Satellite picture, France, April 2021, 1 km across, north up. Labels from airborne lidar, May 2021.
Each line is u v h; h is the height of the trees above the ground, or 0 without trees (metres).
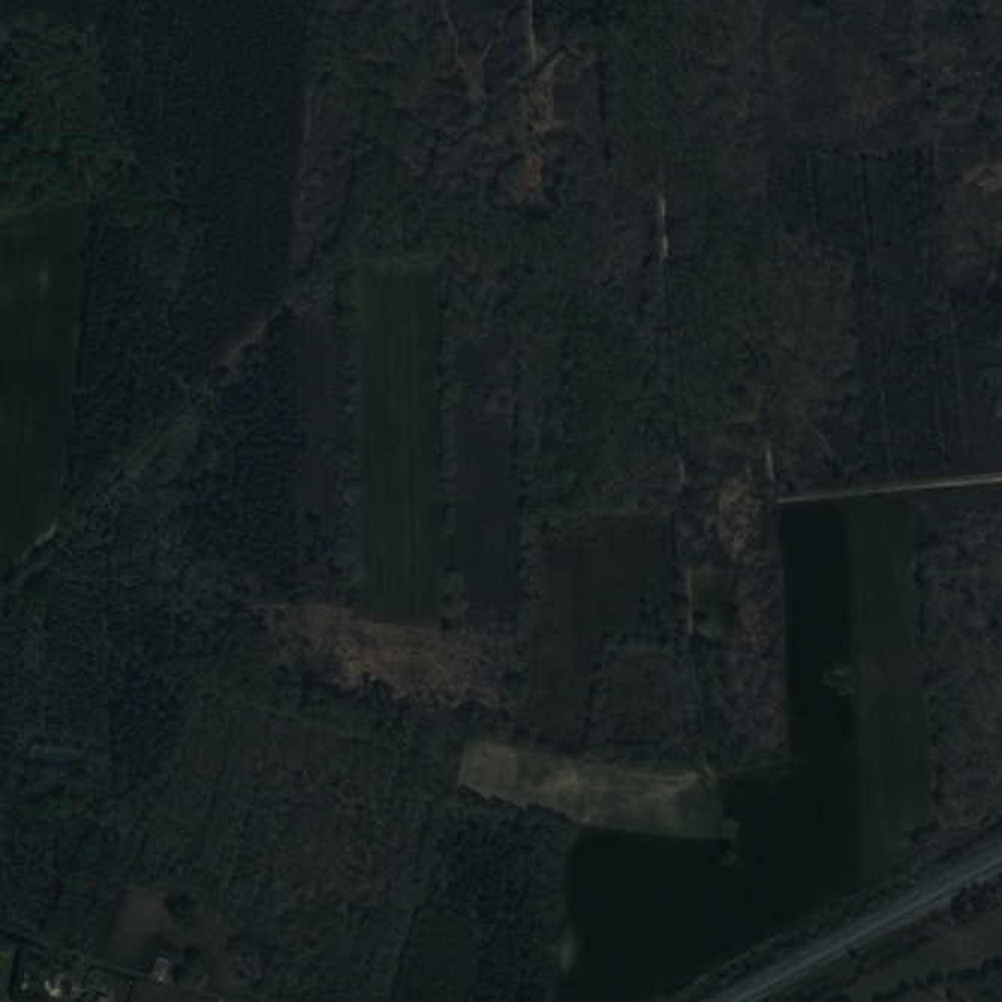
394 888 15
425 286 0
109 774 15
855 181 12
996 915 0
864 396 13
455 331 15
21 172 29
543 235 26
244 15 21
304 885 10
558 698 0
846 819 0
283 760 12
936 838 14
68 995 15
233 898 10
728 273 27
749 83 11
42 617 15
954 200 13
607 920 0
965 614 12
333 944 6
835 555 0
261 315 19
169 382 23
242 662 26
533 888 21
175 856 8
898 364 10
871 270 15
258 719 14
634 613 0
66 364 0
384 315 0
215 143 20
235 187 22
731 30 18
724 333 27
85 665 17
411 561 0
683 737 13
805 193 12
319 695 23
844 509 0
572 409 20
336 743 14
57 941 19
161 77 20
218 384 19
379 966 14
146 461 17
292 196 21
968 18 14
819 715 0
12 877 14
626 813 0
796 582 0
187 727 20
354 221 22
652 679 7
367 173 20
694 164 21
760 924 0
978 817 14
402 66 21
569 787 0
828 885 0
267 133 20
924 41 14
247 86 20
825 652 0
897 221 10
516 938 24
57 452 0
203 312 24
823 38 0
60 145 17
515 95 15
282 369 21
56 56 24
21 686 18
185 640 17
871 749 0
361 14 13
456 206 23
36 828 18
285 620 15
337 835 13
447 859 21
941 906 0
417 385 0
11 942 13
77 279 0
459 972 9
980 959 0
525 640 14
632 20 20
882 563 0
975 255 12
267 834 14
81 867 22
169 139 20
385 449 0
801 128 0
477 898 20
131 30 22
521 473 13
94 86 24
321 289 17
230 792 14
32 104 23
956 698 21
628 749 12
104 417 18
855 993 0
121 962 0
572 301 23
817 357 16
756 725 13
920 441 9
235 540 23
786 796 0
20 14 21
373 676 0
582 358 20
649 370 20
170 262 22
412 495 0
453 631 13
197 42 18
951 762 13
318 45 12
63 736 17
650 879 0
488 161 9
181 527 18
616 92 26
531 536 17
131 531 13
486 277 14
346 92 12
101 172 28
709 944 0
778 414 21
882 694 0
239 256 22
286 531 24
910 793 0
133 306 21
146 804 12
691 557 16
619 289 19
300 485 20
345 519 10
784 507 0
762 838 0
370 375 0
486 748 0
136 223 16
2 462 0
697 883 0
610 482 20
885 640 0
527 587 15
